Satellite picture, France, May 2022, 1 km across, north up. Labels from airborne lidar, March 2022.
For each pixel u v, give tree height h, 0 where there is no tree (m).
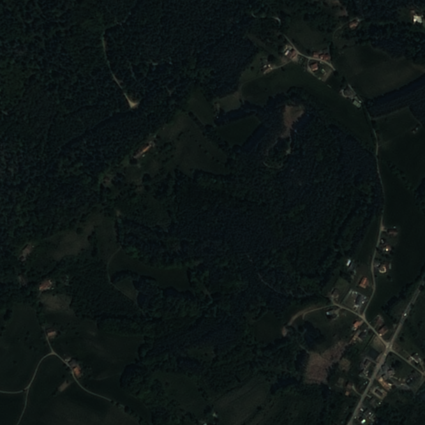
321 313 0
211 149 0
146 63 21
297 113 0
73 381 0
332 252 32
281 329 0
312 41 0
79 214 18
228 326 29
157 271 0
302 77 0
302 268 12
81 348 0
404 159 0
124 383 20
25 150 16
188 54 28
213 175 13
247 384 0
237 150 20
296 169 29
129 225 24
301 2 14
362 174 32
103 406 0
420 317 0
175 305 32
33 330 0
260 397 0
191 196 22
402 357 0
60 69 27
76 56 12
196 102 0
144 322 26
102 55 16
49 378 0
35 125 21
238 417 0
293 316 0
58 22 7
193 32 30
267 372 7
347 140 36
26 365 0
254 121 0
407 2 27
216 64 32
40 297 0
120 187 7
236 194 16
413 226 0
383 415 8
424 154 0
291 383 32
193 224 23
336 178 19
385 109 24
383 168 0
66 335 0
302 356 26
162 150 8
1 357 0
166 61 13
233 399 0
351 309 0
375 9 31
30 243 9
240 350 22
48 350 0
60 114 20
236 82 27
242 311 21
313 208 23
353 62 0
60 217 21
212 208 27
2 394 0
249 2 23
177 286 0
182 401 0
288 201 20
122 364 0
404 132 0
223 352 16
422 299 0
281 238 24
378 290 0
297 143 14
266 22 7
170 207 31
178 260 21
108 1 15
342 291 0
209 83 23
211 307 32
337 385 0
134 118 29
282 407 0
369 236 0
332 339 0
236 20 20
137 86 25
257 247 32
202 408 0
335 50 14
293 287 21
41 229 32
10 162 24
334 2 0
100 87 20
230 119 32
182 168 0
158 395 34
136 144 10
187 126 0
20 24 24
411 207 0
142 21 16
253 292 21
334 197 25
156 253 29
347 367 0
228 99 0
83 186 31
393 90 0
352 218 30
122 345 0
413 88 32
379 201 31
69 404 0
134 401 0
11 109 11
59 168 24
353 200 9
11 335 0
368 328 0
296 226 23
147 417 0
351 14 8
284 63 0
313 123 22
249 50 34
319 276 33
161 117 25
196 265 0
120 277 22
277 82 0
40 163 23
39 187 23
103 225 0
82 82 28
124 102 24
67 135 26
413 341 0
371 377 0
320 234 19
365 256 0
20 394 0
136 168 0
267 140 36
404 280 0
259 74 0
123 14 16
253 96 0
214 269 22
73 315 0
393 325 0
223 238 30
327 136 19
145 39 20
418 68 0
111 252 0
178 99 35
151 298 29
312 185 31
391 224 0
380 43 20
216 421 13
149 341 18
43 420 0
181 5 29
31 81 21
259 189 21
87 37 18
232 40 29
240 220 36
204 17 32
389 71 0
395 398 0
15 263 22
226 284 31
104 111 28
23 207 23
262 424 0
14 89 23
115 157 23
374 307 0
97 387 0
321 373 0
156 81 25
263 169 15
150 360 25
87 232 0
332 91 0
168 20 31
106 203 18
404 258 0
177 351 27
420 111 26
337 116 0
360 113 0
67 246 0
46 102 20
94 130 35
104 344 0
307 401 0
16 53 31
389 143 0
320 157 26
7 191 26
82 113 26
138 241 27
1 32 15
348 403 0
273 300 31
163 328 26
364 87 0
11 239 26
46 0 34
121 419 0
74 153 42
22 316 0
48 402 0
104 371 0
